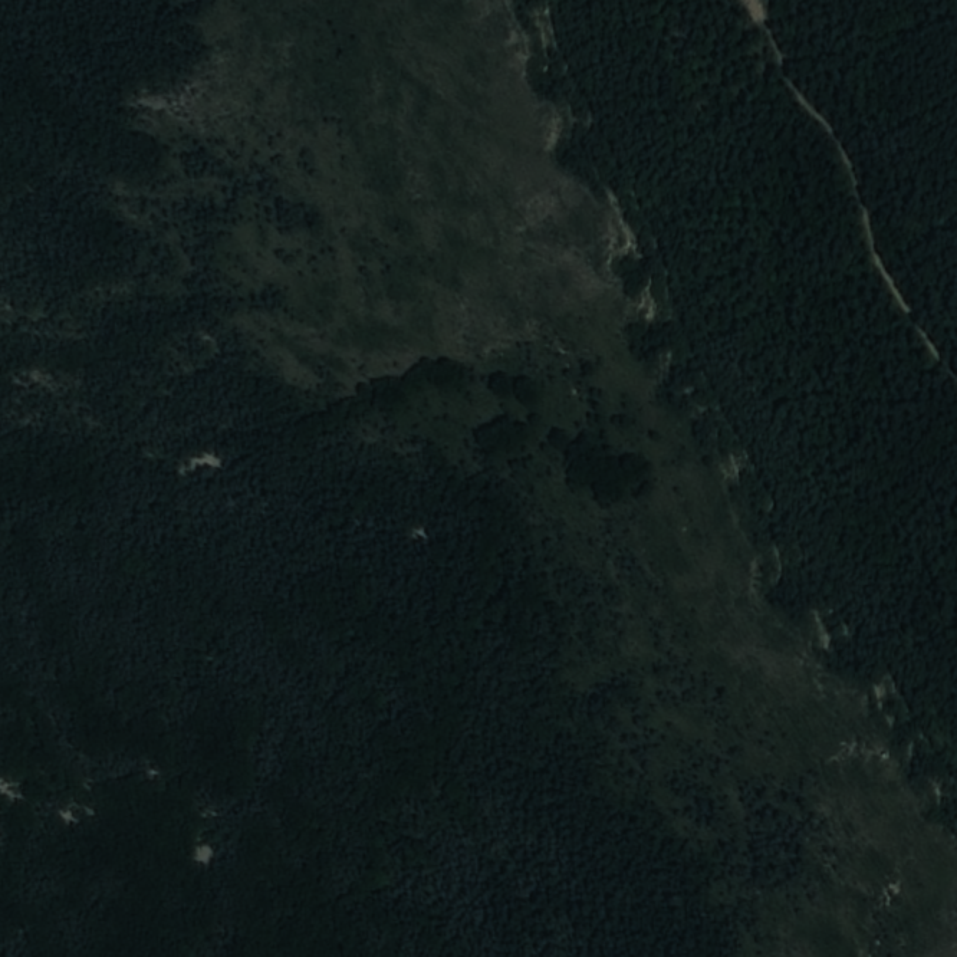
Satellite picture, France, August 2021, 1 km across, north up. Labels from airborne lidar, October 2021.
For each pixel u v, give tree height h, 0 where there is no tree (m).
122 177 7
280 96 0
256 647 15
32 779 9
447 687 15
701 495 0
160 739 12
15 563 14
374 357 0
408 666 16
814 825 8
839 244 30
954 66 20
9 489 18
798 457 11
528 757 15
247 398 13
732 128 25
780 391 19
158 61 20
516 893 16
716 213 17
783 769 0
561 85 17
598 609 7
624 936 15
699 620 0
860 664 8
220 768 14
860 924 0
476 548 18
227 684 14
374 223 0
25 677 12
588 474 14
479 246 0
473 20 0
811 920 0
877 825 0
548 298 0
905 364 31
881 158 29
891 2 19
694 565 0
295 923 18
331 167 0
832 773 0
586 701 7
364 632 17
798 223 14
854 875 0
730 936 10
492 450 15
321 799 16
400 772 17
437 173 0
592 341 0
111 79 16
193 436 8
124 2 21
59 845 8
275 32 0
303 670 14
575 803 16
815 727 0
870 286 12
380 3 0
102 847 13
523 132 0
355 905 12
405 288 0
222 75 0
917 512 29
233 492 8
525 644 18
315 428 17
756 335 17
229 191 9
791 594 16
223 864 13
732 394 20
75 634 12
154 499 12
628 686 11
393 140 0
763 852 8
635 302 10
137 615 16
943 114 23
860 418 24
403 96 0
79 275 12
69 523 25
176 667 18
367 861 19
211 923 15
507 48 0
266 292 7
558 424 0
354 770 20
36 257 11
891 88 14
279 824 12
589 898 20
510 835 19
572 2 19
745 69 20
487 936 17
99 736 16
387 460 5
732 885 7
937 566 26
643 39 26
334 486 17
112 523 14
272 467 15
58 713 14
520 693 14
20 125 16
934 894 0
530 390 16
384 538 17
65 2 22
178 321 8
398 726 13
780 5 15
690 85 24
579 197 0
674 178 19
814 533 23
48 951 16
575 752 11
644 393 0
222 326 12
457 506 22
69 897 11
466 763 24
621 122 21
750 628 0
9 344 8
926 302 6
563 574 6
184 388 13
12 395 9
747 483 10
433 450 14
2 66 22
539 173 0
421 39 0
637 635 0
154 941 19
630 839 20
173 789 12
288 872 16
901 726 14
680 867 18
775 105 29
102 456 11
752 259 13
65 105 11
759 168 27
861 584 15
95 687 15
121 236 12
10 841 11
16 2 18
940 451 19
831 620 12
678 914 26
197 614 16
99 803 10
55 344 11
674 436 0
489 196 0
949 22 28
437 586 20
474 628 19
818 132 18
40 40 19
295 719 14
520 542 10
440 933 12
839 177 28
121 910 15
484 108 0
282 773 12
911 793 0
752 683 0
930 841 0
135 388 11
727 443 13
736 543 0
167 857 13
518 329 0
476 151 0
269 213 11
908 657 19
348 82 0
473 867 15
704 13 27
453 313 0
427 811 10
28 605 15
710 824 17
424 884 9
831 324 15
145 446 14
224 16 0
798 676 0
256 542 16
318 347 0
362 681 17
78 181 10
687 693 7
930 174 15
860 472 26
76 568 14
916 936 0
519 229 0
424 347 0
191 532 11
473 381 9
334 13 0
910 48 24
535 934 17
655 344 11
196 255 6
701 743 7
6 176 10
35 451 15
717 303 8
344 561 19
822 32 17
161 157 11
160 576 18
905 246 16
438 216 0
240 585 16
